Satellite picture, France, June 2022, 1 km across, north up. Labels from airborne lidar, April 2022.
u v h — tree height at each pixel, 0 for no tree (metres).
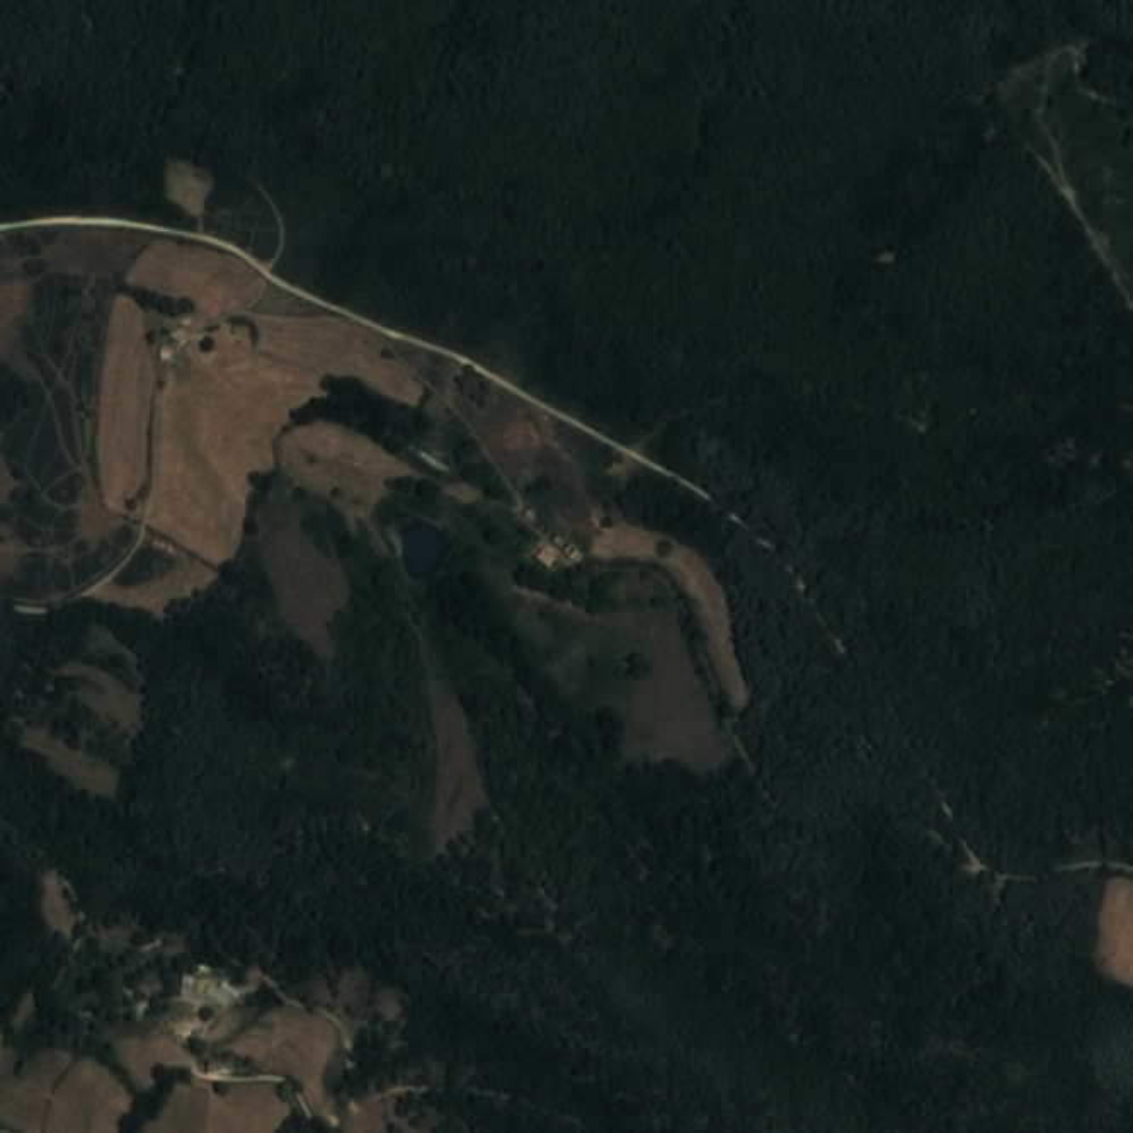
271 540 0
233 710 16
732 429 15
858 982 9
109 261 0
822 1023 10
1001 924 13
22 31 15
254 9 15
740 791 8
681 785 16
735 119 13
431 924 14
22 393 7
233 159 13
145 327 0
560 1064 21
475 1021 18
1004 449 19
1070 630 15
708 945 9
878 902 18
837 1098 17
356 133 14
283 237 0
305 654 13
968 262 15
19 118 16
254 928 16
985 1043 11
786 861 14
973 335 15
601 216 21
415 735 8
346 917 12
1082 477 23
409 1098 10
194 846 18
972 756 13
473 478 16
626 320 14
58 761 0
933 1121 9
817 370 15
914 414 14
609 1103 25
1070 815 15
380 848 15
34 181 8
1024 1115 8
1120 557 12
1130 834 12
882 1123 19
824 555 9
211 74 16
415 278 12
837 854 14
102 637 0
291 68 14
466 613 26
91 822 11
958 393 7
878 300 19
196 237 0
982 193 14
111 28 17
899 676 15
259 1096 0
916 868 13
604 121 16
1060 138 17
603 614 22
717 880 18
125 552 0
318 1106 0
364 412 15
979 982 15
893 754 20
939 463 17
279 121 12
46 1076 0
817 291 16
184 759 15
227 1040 0
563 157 13
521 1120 15
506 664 10
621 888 19
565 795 16
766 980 9
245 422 0
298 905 19
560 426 0
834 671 12
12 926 7
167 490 0
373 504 0
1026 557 20
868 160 15
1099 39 15
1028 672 14
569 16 18
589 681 0
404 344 0
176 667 17
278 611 0
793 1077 16
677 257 14
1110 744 21
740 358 13
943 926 14
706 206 12
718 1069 12
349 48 14
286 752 11
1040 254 17
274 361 0
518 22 15
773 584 17
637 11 12
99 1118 0
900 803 14
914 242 22
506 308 10
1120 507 18
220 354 0
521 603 0
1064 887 15
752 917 13
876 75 15
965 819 17
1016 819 15
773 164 13
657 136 18
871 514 12
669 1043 6
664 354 13
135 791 16
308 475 0
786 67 13
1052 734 13
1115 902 0
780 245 14
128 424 0
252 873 17
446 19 11
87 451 0
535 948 11
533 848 10
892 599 16
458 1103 12
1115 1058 13
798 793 15
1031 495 23
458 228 20
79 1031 13
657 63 15
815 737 9
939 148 19
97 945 12
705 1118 13
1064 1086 8
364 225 8
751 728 12
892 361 15
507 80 16
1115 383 16
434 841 0
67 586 0
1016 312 16
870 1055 10
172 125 16
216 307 0
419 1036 6
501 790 13
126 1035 0
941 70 17
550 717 17
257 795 20
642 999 12
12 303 0
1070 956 8
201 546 0
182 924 17
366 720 13
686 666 0
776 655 21
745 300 14
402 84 14
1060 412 20
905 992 8
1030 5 19
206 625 11
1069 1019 11
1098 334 17
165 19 19
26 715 13
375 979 14
